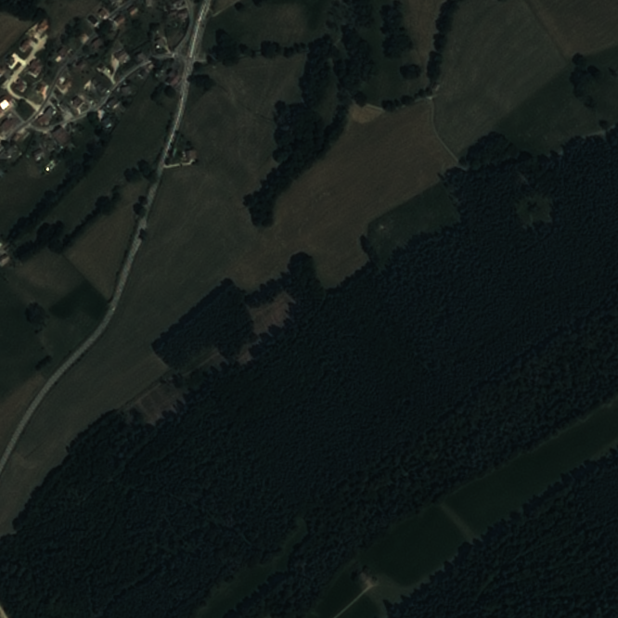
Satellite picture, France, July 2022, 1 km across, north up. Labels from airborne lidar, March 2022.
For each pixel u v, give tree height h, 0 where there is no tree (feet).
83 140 0
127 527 32
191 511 66
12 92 0
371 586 0
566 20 0
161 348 69
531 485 0
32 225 60
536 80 0
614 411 0
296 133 93
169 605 49
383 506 92
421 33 0
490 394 72
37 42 0
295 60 0
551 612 49
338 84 0
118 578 46
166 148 0
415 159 0
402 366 49
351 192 0
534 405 70
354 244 0
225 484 65
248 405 54
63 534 23
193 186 0
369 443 60
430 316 79
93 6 0
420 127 0
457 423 59
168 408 0
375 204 0
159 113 0
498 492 0
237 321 80
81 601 58
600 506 55
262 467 46
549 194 80
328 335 43
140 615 44
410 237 0
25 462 0
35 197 0
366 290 50
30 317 52
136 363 0
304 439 58
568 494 71
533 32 0
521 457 0
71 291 0
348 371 53
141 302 0
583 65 64
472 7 0
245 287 0
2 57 0
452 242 72
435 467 25
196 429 57
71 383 0
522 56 0
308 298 66
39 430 0
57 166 0
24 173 0
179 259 0
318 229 0
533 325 68
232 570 57
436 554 0
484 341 62
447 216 0
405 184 0
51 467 0
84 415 0
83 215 0
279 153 46
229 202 0
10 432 0
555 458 0
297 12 0
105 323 0
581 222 80
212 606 0
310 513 46
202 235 0
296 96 0
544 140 0
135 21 21
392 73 0
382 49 0
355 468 75
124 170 0
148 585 50
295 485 56
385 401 50
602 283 57
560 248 73
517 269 70
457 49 0
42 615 67
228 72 0
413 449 61
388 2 0
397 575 0
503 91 0
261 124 0
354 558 57
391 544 0
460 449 79
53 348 0
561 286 65
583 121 0
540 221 0
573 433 0
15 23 0
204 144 0
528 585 19
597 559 41
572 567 32
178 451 43
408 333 67
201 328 74
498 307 77
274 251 0
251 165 0
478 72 0
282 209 0
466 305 72
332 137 65
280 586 95
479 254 66
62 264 0
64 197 49
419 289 73
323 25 0
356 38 89
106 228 0
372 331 46
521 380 45
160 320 0
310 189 0
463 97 0
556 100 0
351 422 51
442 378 72
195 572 55
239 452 35
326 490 74
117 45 0
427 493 47
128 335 0
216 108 0
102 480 36
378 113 0
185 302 0
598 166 77
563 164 83
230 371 73
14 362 0
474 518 0
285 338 69
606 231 77
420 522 0
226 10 0
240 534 63
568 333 121
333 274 0
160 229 0
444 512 0
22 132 0
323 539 29
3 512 0
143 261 0
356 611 0
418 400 62
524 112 0
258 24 0
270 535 52
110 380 0
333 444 53
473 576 69
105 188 0
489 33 0
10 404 0
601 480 56
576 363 58
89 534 43
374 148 0
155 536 41
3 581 60
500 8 0
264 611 20
